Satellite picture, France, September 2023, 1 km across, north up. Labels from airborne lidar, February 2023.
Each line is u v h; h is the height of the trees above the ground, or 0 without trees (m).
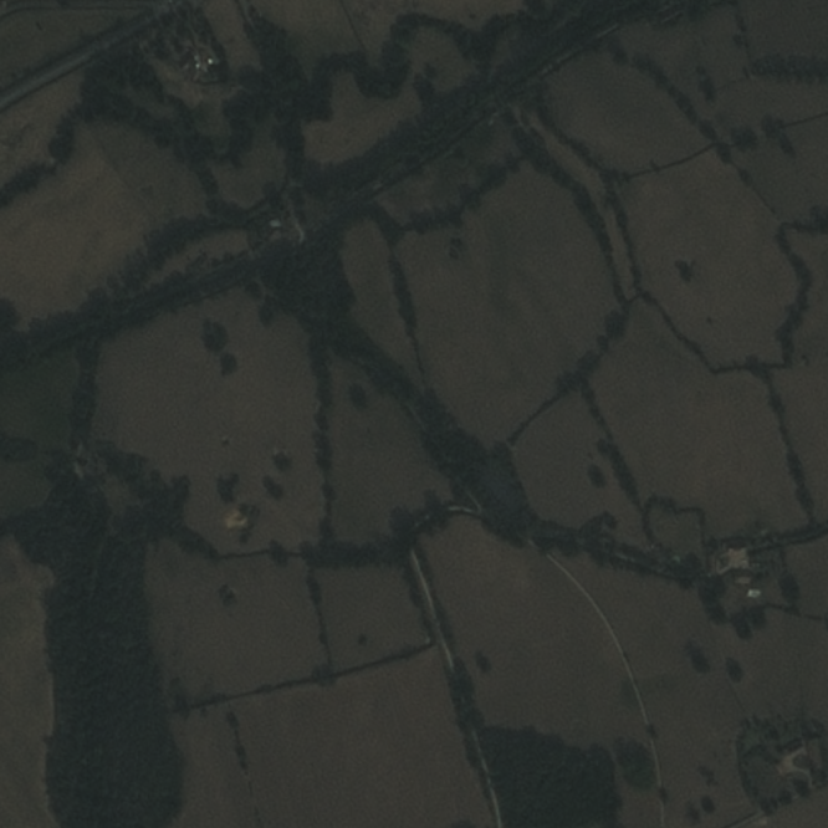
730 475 0
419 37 0
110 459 16
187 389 0
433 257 0
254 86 19
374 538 0
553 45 12
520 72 7
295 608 0
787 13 0
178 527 14
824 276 0
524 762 15
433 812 0
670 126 0
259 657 0
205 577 0
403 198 0
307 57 0
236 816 0
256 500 0
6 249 0
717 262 0
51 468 9
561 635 0
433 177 0
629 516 0
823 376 0
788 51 0
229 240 0
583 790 15
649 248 0
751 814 0
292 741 0
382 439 0
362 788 0
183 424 0
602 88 0
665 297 0
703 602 11
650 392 0
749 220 0
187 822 0
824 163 0
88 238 0
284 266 21
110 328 18
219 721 0
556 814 11
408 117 0
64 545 11
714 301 0
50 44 0
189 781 0
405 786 0
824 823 0
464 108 9
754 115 0
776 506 0
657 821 0
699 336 0
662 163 0
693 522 0
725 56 0
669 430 0
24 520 8
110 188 0
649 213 0
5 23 0
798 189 0
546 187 0
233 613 0
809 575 0
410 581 10
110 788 11
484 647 0
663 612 0
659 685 0
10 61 0
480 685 0
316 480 0
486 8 0
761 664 0
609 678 0
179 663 0
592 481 11
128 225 0
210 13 0
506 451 13
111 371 0
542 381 0
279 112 20
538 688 0
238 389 0
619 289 13
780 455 0
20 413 0
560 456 0
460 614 0
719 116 0
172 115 0
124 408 0
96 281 0
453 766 0
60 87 0
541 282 0
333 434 0
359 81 17
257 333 0
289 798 0
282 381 0
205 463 0
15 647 0
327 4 0
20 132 0
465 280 0
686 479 0
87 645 18
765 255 0
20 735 0
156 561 0
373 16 0
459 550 0
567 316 0
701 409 0
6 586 0
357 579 0
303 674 0
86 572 18
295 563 0
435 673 0
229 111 16
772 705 0
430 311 0
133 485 10
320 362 16
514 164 13
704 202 0
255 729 0
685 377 0
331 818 0
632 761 23
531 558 0
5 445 8
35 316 0
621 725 0
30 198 0
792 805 0
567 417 0
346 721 0
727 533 0
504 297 0
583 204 20
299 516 0
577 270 0
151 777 19
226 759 0
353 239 0
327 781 0
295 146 22
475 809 0
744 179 13
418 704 0
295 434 0
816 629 0
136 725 20
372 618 0
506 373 0
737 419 0
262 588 0
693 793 0
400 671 0
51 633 17
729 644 0
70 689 19
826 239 0
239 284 12
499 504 9
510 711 0
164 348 0
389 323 0
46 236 0
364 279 0
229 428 0
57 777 18
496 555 0
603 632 0
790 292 0
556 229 0
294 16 0
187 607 0
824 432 0
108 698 24
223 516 0
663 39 0
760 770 0
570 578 0
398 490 0
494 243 0
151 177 0
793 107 0
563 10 18
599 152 0
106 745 19
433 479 0
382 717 0
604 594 0
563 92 0
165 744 19
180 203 0
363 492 0
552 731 0
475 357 0
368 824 0
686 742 0
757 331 0
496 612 0
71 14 0
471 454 15
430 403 17
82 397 15
